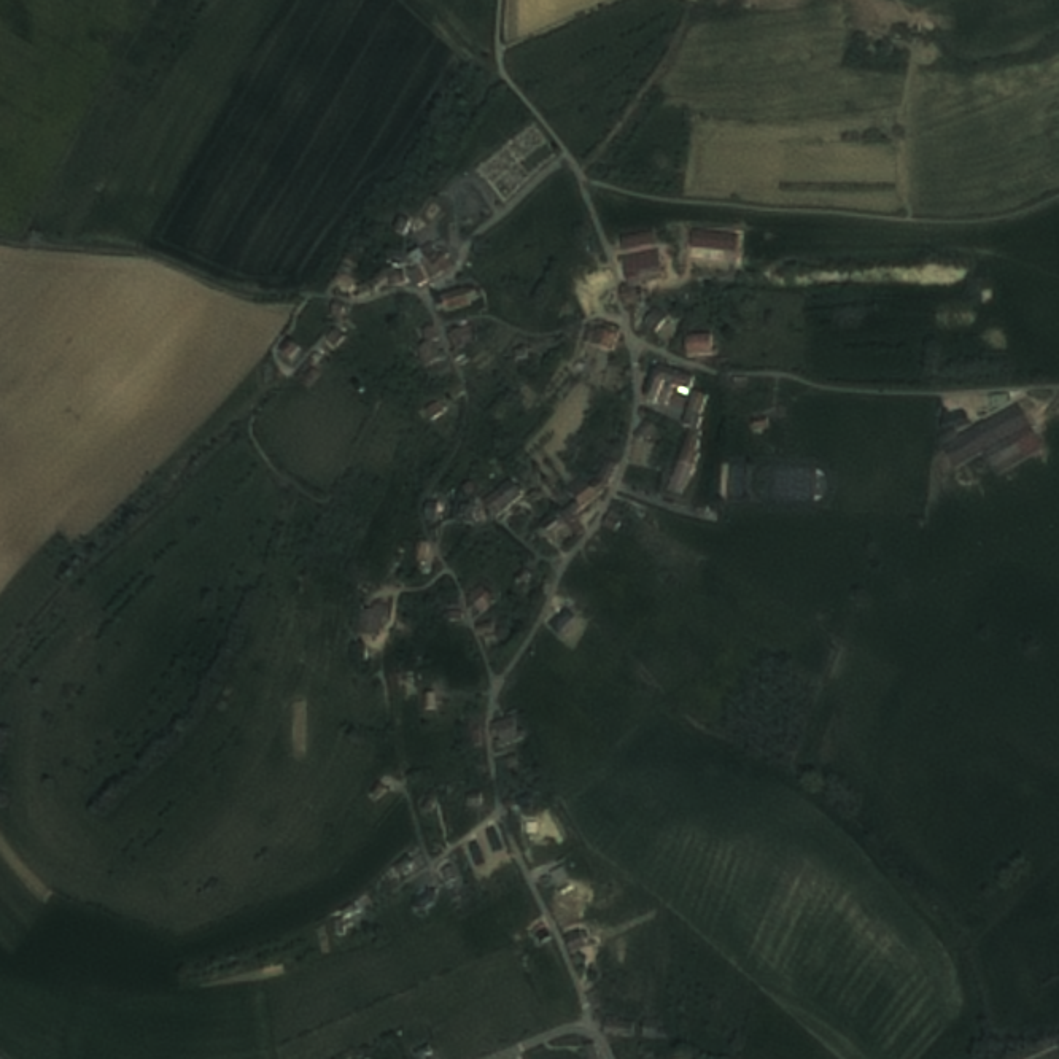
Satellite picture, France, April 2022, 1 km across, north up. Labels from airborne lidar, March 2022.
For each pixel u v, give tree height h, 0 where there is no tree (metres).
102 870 0
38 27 0
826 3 0
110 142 0
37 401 0
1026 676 0
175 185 0
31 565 0
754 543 0
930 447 0
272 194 0
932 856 0
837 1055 0
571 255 0
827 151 0
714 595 0
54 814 0
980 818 0
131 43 0
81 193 0
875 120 0
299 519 0
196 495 0
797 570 0
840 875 0
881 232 0
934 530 0
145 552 0
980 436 0
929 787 0
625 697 0
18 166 0
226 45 0
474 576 0
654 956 0
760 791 0
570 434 0
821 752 0
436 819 0
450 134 12
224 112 0
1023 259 0
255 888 0
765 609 0
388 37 0
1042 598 0
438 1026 0
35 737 0
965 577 0
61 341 0
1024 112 0
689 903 0
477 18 0
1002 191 0
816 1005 0
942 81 0
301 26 0
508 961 0
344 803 0
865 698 0
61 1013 0
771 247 0
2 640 0
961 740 0
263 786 0
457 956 0
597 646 0
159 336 0
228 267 0
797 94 0
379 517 0
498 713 0
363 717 0
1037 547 0
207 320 0
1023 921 0
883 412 0
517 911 0
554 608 0
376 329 0
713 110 0
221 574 0
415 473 13
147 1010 0
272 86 0
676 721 0
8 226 0
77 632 0
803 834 0
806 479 0
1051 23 0
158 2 0
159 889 0
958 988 0
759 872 0
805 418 0
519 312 0
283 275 0
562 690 0
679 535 0
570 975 0
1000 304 0
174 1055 0
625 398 6
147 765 14
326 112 0
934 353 18
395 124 0
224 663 14
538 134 0
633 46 0
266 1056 0
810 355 0
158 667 0
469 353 7
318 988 0
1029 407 0
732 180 0
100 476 0
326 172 0
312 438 0
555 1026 0
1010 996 0
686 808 0
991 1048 20
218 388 0
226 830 0
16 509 0
